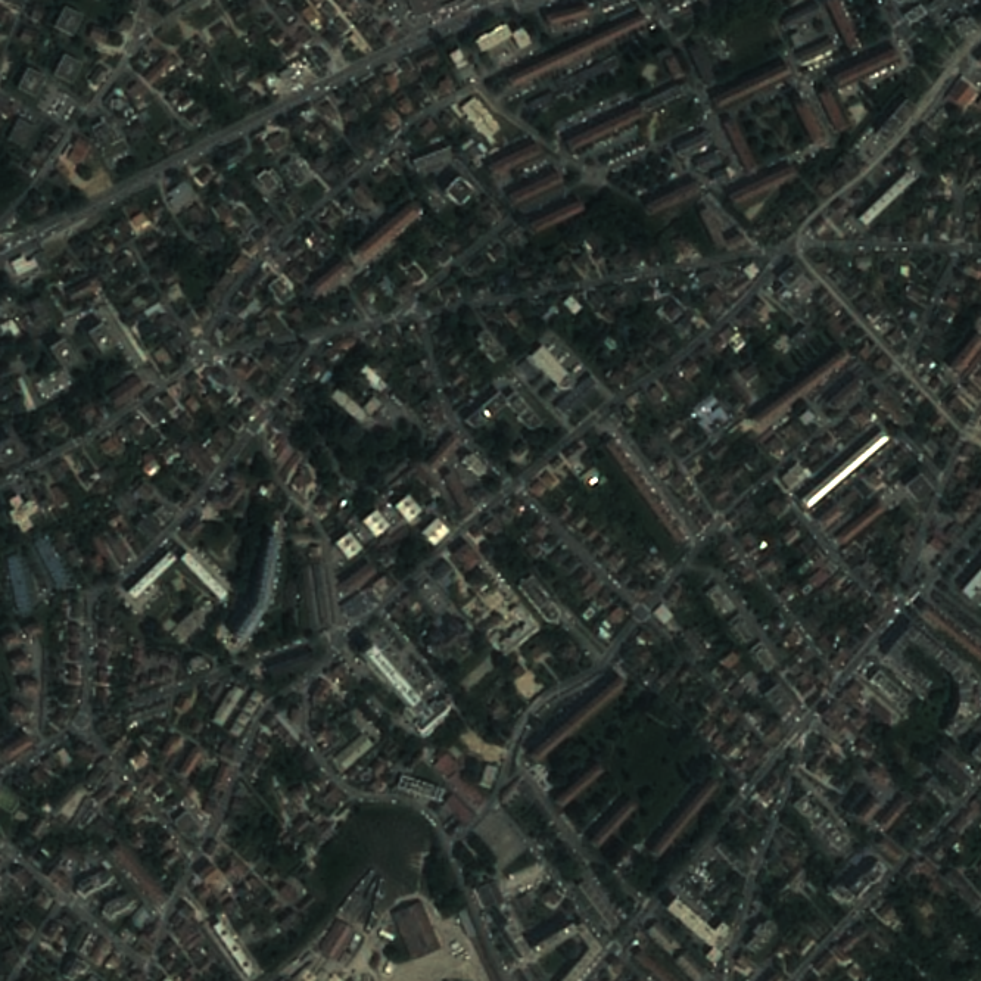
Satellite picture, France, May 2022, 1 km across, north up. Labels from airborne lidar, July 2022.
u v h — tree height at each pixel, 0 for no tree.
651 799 15
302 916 6
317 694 0
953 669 0
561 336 6
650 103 0
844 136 11
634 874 15
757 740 6
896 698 0
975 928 8
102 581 9
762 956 0
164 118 0
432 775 0
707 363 6
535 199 0
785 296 0
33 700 0
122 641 0
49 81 0
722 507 0
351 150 6
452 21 0
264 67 11
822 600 6
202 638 16
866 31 16
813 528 0
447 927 0
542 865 0
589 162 9
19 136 0
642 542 5
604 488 8
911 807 6
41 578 7
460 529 0
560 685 0
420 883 0
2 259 0
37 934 0
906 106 0
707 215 0
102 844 6
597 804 17
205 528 12
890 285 11
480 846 14
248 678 15
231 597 12
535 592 0
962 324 16
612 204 14
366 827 0
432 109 0
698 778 25
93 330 0
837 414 9
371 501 13
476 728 14
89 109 0
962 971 17
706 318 12
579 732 0
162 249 9
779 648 6
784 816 12
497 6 0
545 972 0
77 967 0
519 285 10
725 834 7
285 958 7
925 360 0
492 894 0
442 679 15
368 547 6
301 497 0
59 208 8
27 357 14
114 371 10
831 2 0
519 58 0
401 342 6
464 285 7
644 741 0
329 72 0
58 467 0
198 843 0
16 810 0
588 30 7
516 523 6
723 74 16
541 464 0
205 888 0
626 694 10
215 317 0
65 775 12
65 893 0
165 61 0
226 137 0
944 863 6
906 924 13
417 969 0
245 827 14
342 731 6
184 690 0
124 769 0
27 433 11
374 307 0
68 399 11
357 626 0
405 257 8
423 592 0
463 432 0
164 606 0
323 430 22
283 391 0
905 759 0
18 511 0
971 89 0
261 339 0
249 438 0
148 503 6
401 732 7
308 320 9
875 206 0
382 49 0
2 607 6
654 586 8
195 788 8
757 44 0
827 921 0
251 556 14
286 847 9
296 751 12
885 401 0
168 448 0
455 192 0
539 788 0
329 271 0
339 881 0
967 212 0
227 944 0
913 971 11
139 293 11
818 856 8
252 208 6
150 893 0
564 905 10
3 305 0
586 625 6
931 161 16
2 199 0
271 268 0
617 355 7
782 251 0
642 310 9
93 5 0
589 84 11
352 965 0
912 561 0
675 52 10
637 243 20
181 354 7
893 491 0
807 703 6
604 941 0
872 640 0
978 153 6
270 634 9
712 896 10
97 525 11
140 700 0
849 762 6
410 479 6
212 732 6
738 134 0
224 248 8
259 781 9
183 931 0
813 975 6
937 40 14
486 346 0
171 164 0
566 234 18
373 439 17
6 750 0
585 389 0
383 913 0
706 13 19
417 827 0
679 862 22
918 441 16
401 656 0
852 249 0
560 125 0
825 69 0
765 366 17
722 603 0
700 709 13
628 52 10
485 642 19
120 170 13
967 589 0
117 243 7
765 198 0
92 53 9
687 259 0
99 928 0
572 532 7
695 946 7
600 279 0
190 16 0
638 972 0
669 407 7
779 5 15
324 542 0
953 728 0
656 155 7
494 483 17
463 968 0
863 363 7
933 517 0
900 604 0
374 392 7
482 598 8
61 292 12
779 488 6
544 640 13
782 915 13
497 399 0
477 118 0
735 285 0
